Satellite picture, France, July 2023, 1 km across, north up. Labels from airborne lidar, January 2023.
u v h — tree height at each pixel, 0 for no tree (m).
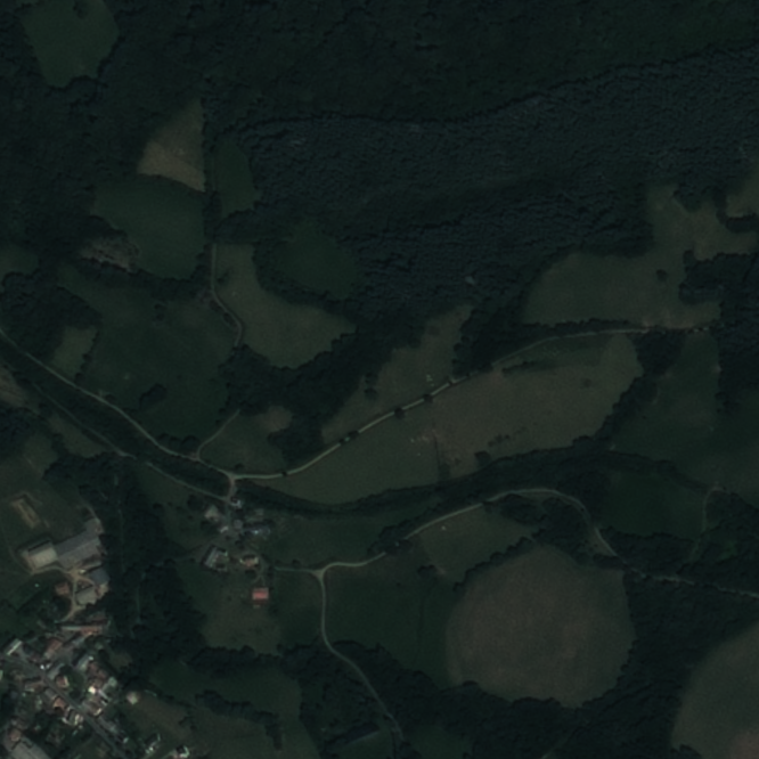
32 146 12
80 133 23
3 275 0
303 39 29
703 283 16
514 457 6
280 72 23
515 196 22
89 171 24
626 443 0
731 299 20
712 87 22
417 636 0
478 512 0
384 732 0
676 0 10
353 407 0
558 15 22
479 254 28
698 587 10
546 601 0
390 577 0
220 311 11
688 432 0
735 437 0
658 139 22
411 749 17
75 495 0
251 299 0
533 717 19
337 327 0
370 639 0
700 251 0
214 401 0
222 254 0
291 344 0
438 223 14
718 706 0
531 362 6
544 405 0
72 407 15
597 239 25
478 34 28
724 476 0
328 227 16
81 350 0
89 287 0
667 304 0
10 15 17
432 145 20
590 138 21
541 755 12
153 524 22
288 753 0
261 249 14
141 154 11
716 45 6
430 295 28
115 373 0
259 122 15
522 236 29
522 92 10
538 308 0
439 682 0
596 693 0
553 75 9
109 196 0
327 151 27
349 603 0
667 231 0
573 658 0
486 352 11
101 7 0
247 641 0
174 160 0
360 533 0
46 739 6
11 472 0
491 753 6
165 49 28
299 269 0
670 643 10
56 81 0
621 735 28
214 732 0
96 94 7
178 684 0
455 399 0
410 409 0
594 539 0
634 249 17
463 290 28
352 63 28
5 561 0
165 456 6
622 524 0
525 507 18
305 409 16
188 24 23
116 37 0
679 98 19
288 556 0
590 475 14
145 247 0
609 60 9
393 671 11
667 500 0
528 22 24
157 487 0
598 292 0
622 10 11
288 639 0
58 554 0
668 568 13
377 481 0
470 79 7
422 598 0
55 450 7
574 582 0
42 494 0
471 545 0
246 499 8
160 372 0
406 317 20
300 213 18
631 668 13
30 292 26
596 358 0
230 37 19
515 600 0
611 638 0
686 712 0
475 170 18
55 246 17
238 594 0
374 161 20
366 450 0
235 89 17
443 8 25
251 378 12
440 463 0
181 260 0
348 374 20
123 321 0
